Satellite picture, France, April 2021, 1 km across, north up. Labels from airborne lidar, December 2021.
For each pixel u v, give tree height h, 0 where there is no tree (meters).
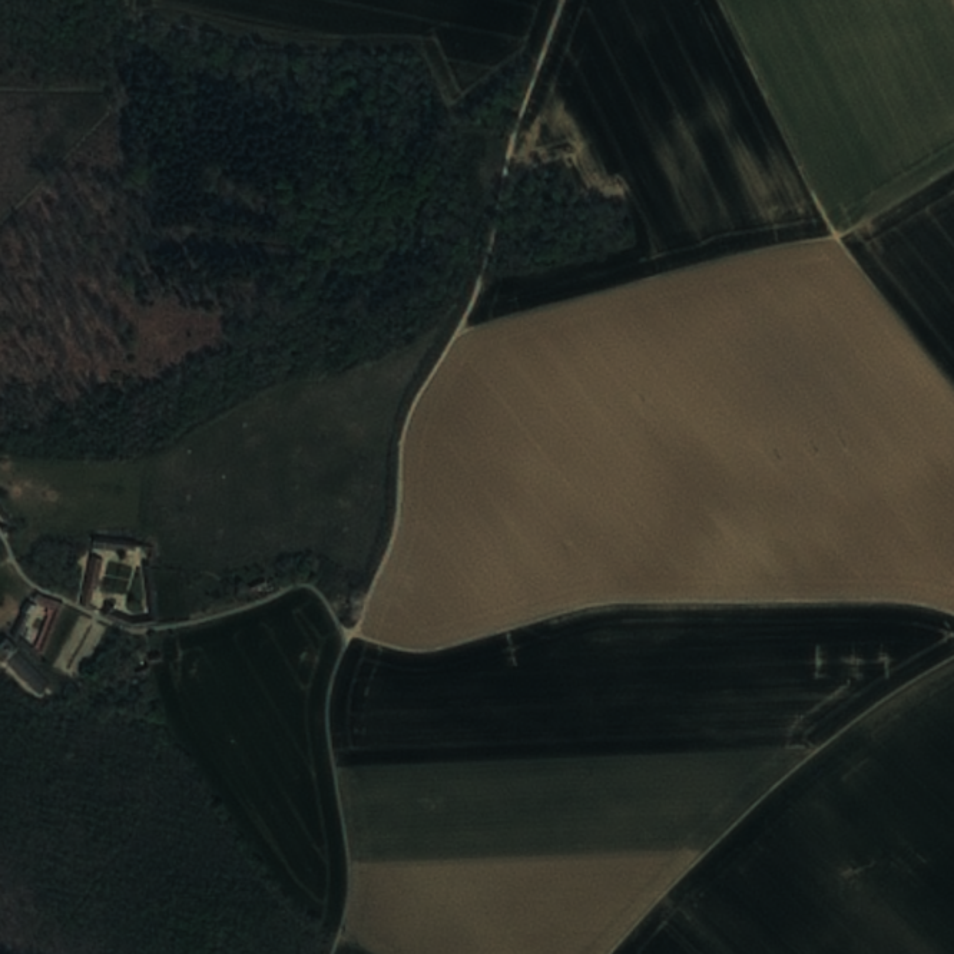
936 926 0
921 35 0
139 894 14
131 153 28
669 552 0
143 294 19
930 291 0
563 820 0
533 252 21
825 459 0
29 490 0
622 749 0
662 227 0
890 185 0
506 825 0
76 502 0
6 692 16
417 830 0
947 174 0
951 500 0
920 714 0
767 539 0
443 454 0
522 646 0
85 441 13
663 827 0
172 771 14
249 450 0
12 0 20
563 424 0
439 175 23
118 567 0
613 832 0
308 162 32
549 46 0
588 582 0
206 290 18
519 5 0
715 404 0
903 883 0
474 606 0
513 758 0
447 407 0
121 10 14
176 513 0
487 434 0
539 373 0
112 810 14
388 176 24
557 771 0
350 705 0
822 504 0
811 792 0
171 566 0
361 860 0
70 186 28
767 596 0
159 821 15
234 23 0
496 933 0
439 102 14
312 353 22
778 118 0
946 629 0
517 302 0
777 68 0
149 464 0
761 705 0
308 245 13
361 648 0
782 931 0
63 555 16
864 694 0
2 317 8
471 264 13
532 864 0
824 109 0
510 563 0
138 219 27
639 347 0
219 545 0
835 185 0
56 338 27
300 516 0
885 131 0
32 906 14
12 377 11
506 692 0
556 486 0
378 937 0
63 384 16
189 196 34
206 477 0
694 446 0
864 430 0
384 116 22
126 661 17
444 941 0
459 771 0
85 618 0
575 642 0
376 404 0
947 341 0
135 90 31
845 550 0
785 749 0
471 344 0
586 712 0
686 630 0
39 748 14
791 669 0
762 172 0
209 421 12
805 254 0
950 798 0
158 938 16
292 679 0
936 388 0
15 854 14
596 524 0
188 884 16
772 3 0
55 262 32
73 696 16
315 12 0
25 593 0
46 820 14
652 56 0
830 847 0
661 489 0
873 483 0
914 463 0
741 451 0
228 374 13
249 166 32
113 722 11
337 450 0
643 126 0
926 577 0
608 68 0
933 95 0
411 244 22
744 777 0
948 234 0
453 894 0
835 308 0
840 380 0
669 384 0
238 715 0
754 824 0
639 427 0
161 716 12
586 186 0
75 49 16
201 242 8
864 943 0
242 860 14
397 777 0
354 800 0
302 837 0
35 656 0
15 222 12
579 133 0
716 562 0
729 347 0
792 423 0
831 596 0
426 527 0
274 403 0
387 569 0
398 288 24
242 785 0
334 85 23
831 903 0
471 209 20
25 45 13
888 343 0
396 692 0
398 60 11
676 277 0
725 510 0
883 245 0
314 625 0
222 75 21
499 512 0
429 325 14
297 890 0
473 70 0
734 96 0
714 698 0
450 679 0
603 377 0
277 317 23
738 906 0
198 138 29
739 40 0
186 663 0
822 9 0
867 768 0
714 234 0
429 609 0
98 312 26
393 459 10
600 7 0
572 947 0
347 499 0
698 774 0
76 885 13
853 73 0
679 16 0
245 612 0
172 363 0
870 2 0
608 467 0
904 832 0
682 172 0
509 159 0
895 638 0
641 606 0
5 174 0
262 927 15
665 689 0
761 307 0
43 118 0
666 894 0
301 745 0
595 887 0
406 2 0
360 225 20
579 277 0
